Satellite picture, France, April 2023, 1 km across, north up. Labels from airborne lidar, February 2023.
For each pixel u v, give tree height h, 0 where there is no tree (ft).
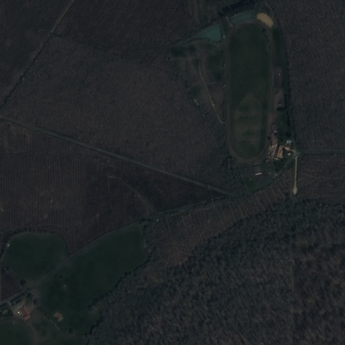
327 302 111
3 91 42
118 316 88
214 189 0
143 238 20
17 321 0
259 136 0
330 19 73
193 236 22
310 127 66
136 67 43
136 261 0
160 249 26
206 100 0
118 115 52
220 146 42
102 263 0
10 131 0
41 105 44
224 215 23
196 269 74
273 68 0
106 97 45
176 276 69
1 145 0
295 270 87
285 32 55
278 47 0
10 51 22
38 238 0
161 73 46
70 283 0
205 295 64
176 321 92
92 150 0
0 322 0
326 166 21
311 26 68
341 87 71
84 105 39
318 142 68
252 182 0
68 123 55
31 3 27
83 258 0
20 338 0
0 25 21
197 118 53
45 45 36
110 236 0
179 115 50
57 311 0
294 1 62
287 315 94
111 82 43
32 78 51
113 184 0
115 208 0
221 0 75
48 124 45
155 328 98
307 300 106
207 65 0
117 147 44
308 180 23
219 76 0
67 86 45
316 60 67
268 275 113
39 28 26
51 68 50
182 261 24
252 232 48
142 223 47
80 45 47
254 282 104
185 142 43
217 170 48
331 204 30
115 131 49
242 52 0
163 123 43
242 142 0
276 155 0
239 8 56
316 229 103
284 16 57
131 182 0
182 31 18
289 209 81
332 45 73
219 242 61
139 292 50
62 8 22
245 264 107
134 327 35
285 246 76
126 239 0
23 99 46
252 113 0
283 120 0
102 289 0
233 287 107
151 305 79
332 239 90
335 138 73
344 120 73
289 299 117
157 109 52
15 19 22
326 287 0
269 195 21
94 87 53
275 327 113
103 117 45
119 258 0
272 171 0
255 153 0
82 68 46
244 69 0
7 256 0
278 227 68
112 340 84
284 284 92
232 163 39
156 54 19
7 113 52
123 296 80
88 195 0
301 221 52
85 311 0
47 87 53
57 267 0
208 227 22
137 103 51
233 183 51
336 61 81
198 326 28
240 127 0
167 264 24
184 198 0
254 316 105
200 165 42
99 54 49
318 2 65
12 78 34
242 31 0
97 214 0
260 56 0
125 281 31
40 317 0
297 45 64
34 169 0
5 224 0
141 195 0
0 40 27
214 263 101
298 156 0
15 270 0
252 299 107
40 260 0
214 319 93
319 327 117
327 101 64
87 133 48
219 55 0
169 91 53
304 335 111
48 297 0
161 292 70
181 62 0
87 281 0
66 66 48
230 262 109
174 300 102
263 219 102
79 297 0
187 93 46
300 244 98
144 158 44
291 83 52
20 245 0
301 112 67
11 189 0
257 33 0
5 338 0
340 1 57
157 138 53
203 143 43
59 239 0
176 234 18
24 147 0
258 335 120
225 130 0
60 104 50
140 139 52
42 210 0
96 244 0
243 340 117
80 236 0
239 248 51
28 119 48
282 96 0
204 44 0
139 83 55
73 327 0
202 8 0
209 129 39
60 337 0
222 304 106
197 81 0
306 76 63
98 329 53
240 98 0
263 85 0
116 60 49
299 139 64
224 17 66
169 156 53
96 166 0
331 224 94
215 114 0
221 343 75
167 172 0
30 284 0
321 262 103
